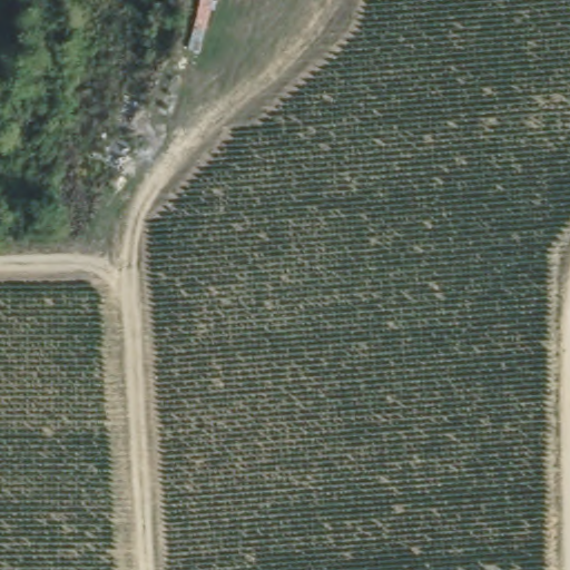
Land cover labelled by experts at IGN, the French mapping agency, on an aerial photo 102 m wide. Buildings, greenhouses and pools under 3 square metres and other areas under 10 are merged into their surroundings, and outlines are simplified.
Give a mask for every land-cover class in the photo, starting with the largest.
<instances>
[{"label":"vineyard","instance_id":"1","mask_svg":"<svg viewBox=\"0 0 570 570\"><path fill-rule=\"evenodd\" d=\"M570 272V0H365L358 31L354 33V38L347 40V45L336 53V58H332L327 65L314 71L312 78H307L305 85L292 91V96L285 98L278 109L269 111V118H265L263 125L232 129V138L225 140L220 151L214 154V158L189 180L185 191L174 200V209L160 212L158 218H147V236L140 240L138 247V298L143 312L145 425L151 470L154 570H566L561 468V321L566 283ZM0 570H138L134 559L129 401L120 298H114L107 292V285L96 274L85 272L53 274L45 281H0Z\"/></svg>","mask_w":570,"mask_h":570},{"label":"herbaceous vegetation","instance_id":"2","mask_svg":"<svg viewBox=\"0 0 570 570\"><path fill-rule=\"evenodd\" d=\"M85 4L89 7L85 45L87 60L85 80L76 89V107L82 111L85 120L76 122L69 136L58 145L65 149L67 163L60 194L71 229L69 236L60 240L49 254H94L105 258L114 256L122 245L127 212L136 198V191L147 178V174L163 160L167 149L171 147L176 129L194 127L198 122L196 107L220 100L240 80L261 73L274 60L278 42L298 36L301 27L309 20L314 11H321L325 20L321 36L307 45V51H303V56L261 96L252 98L229 120L220 116L216 118V129L200 138L198 147L189 149L183 165L160 189L147 218H158L160 212L174 209V200L185 191L189 180L214 158V154L220 151L225 140L232 138V129L263 125L265 118H269V111L278 109L285 98L292 96V91L305 85L307 78H312L314 71L327 65L332 58H336V53L347 45V40L354 38V33L358 31L365 0H180L178 16L149 13V29H145L147 53L143 58L131 51L134 7L125 0H85Z\"/></svg>","mask_w":570,"mask_h":570},{"label":"brushwood","instance_id":"3","mask_svg":"<svg viewBox=\"0 0 570 570\"><path fill-rule=\"evenodd\" d=\"M89 7L85 4V0H0V256L49 254L60 240L69 236L71 229L60 194L67 163L65 149L58 145L69 136L76 122L85 120L82 111L76 107V89L85 80L87 60L85 45ZM134 7L131 51L143 58L147 53L145 29H149V13L178 16L180 0H125Z\"/></svg>","mask_w":570,"mask_h":570},{"label":"pervious surface","instance_id":"4","mask_svg":"<svg viewBox=\"0 0 570 570\"><path fill-rule=\"evenodd\" d=\"M325 20L321 11H314L309 20L301 27L298 36L278 42L274 60L261 73L240 80L220 100L196 107L198 122L194 127L176 129L171 147L167 149L163 160L147 174V178L136 191V198L127 212L122 245L114 256L105 258L94 254H49L0 256V281H45L53 274L85 272L96 274L107 285V292L114 298H120L129 401L134 559L138 570H154L151 470L145 425L143 312L138 298V247L140 240L147 236V218L160 189L183 165L189 149L198 147L200 138L216 129V118L220 116L229 120L252 98L261 96L303 56V51H307V45L321 36ZM561 468L566 570H570V272L566 283L561 321Z\"/></svg>","mask_w":570,"mask_h":570}]
</instances>
